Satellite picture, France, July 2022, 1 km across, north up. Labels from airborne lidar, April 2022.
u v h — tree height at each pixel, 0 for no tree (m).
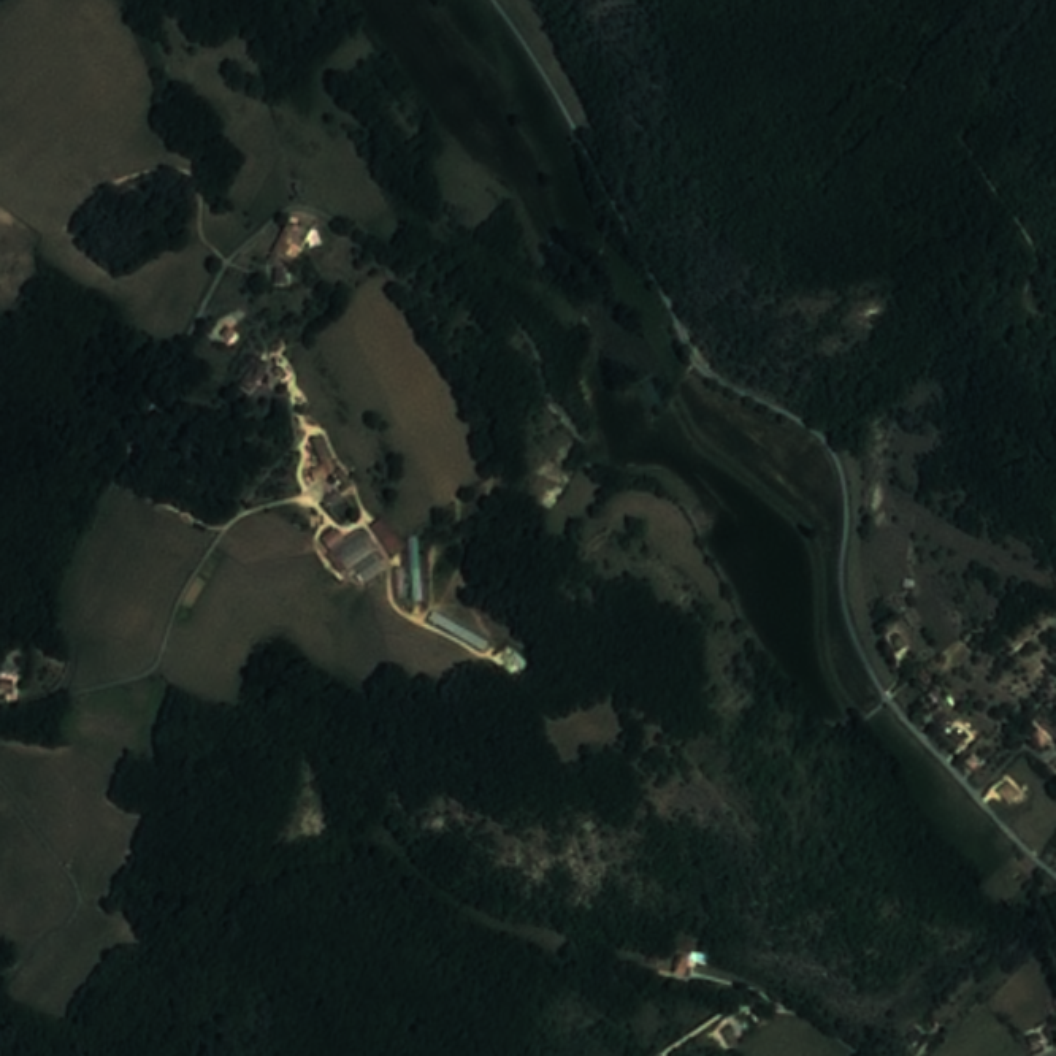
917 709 8
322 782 15
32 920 0
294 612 0
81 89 0
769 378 14
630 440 0
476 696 20
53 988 0
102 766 0
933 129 18
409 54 0
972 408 13
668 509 0
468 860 11
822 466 0
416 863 11
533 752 18
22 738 14
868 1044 7
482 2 0
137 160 0
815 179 8
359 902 13
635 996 16
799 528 0
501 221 9
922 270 21
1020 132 14
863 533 10
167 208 15
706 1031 0
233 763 19
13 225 0
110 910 17
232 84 11
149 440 25
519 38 0
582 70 14
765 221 15
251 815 21
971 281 21
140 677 0
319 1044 17
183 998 16
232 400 13
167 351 17
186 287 0
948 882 18
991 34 14
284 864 10
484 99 0
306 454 0
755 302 15
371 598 0
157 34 12
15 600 15
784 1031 0
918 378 10
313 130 0
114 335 16
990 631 9
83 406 8
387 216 0
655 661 19
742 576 0
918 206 20
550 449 0
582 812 11
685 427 0
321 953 18
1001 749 6
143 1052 15
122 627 0
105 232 16
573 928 10
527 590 22
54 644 18
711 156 11
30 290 14
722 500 0
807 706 11
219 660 0
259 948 21
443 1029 19
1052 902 9
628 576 10
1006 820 0
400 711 23
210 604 0
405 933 14
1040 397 17
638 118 20
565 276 14
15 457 19
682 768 9
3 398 18
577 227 0
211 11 21
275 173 0
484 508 16
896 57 11
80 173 0
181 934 22
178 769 15
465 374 14
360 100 19
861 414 10
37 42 0
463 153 0
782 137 12
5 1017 12
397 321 0
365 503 0
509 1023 14
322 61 8
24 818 0
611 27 16
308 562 0
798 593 0
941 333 13
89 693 0
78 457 14
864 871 10
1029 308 0
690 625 14
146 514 0
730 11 11
